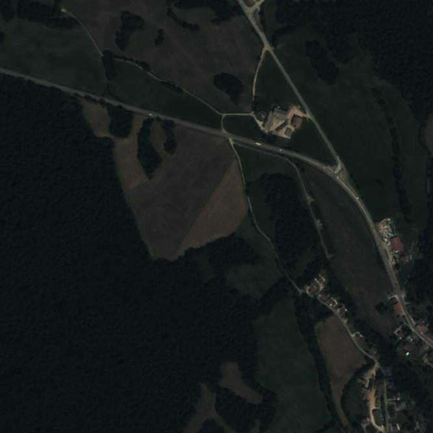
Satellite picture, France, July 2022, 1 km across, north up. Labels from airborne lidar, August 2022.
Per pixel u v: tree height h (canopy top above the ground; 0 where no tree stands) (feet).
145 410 65
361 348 0
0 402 58
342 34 82
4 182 62
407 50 43
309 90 0
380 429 0
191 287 50
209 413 0
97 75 0
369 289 0
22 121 59
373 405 0
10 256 73
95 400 65
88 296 56
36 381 73
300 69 0
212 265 25
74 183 64
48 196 48
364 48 67
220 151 0
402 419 0
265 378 0
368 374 0
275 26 0
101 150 32
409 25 62
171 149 33
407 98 75
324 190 0
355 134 0
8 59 0
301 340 0
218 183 0
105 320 60
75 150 66
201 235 0
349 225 0
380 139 0
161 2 0
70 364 64
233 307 49
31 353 55
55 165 32
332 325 0
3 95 48
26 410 58
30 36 0
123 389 62
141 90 0
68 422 53
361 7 66
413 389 55
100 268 61
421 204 0
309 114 0
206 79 0
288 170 0
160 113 0
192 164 0
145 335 32
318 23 66
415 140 0
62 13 0
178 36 0
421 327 0
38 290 58
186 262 53
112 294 68
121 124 29
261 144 0
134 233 55
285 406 0
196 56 0
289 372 0
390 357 54
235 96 60
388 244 0
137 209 0
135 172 0
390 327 0
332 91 0
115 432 63
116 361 58
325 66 72
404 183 48
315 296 24
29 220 51
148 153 47
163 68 0
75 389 51
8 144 53
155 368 56
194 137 0
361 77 0
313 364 0
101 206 56
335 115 0
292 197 66
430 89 59
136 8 0
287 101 0
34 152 36
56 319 58
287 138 0
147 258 60
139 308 61
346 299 58
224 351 65
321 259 42
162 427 51
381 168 0
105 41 0
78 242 61
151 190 0
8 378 59
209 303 54
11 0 56
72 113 31
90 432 56
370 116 0
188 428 0
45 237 60
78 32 0
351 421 34
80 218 56
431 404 37
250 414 66
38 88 53
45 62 0
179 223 0
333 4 80
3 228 55
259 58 31
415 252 0
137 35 0
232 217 0
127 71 0
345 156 0
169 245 0
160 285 87
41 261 62
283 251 37
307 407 0
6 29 0
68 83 0
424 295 64
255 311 53
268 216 0
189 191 0
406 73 35
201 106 0
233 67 0
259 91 0
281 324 0
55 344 64
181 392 49
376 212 0
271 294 51
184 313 66
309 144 0
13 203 60
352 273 0
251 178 0
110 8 0
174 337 34
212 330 64
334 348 0
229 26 0
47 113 62
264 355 0
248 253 78
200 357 65
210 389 48
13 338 59
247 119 0
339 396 0
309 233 41
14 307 61
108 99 0
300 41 0
